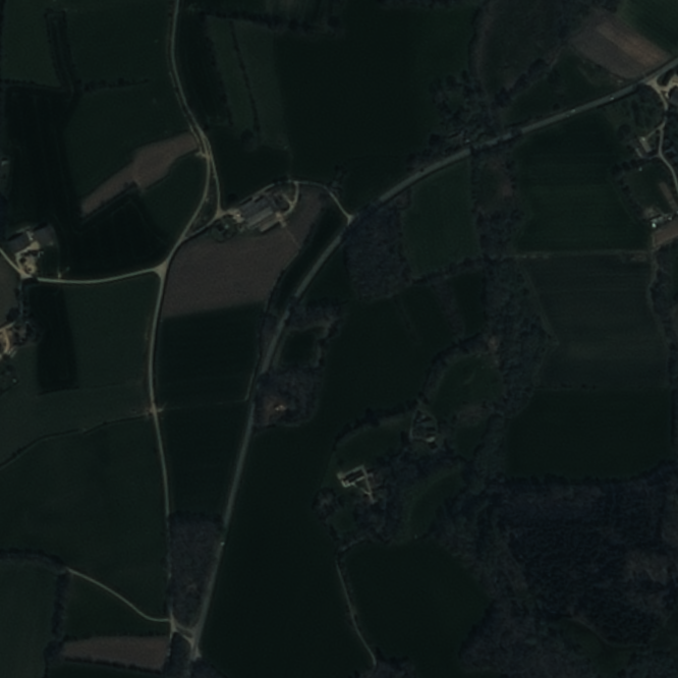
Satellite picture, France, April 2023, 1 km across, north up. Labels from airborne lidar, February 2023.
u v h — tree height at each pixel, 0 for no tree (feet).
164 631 0
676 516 72
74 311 0
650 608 62
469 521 115
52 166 0
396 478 72
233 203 41
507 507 75
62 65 0
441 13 0
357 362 0
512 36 0
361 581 0
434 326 0
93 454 0
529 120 24
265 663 0
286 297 0
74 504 0
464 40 0
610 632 54
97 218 0
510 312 32
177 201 0
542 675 81
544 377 0
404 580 0
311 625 0
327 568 0
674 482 70
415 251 0
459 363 0
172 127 0
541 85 0
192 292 0
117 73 0
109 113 0
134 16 0
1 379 0
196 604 46
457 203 0
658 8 0
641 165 22
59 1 0
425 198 0
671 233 0
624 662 0
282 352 0
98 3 0
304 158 0
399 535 103
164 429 0
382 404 0
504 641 65
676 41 0
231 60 0
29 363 0
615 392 0
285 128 0
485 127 53
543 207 0
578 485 37
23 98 0
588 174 0
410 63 0
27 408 0
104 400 0
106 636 23
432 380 33
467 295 0
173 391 0
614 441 0
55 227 0
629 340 0
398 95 0
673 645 0
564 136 0
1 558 50
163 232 0
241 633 0
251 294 0
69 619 0
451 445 53
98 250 0
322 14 0
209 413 0
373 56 0
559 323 0
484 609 0
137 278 0
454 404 0
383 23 0
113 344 0
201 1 0
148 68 0
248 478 0
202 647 0
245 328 0
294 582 0
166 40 0
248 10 0
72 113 0
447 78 0
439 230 0
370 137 0
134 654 0
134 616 0
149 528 0
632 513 72
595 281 0
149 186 0
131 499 0
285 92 0
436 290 42
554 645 82
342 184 21
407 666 36
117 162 0
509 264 24
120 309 0
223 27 0
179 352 0
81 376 0
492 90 0
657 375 0
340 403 0
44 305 0
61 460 0
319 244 0
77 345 0
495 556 37
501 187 0
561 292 0
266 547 0
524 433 0
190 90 0
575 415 0
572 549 81
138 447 0
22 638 0
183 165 0
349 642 0
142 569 0
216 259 0
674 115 20
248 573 0
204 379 0
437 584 0
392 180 0
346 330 0
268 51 0
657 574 61
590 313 0
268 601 0
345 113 0
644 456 0
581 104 0
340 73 0
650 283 0
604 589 74
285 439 0
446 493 0
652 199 0
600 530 40
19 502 0
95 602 0
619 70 0
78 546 0
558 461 0
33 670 0
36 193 0
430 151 19
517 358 32
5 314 0
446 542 63
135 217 0
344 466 41
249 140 52
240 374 0
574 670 61
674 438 46
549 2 0
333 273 0
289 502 0
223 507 0
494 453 25
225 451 0
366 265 78
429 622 0
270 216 0
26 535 0
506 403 54
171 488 0
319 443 0
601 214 0
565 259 0
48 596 0
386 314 0
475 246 0
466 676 0
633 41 0
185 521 60
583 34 0
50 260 0
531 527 70
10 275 0
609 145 0
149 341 0
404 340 0
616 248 0
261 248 0
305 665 0
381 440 0
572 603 52
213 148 0
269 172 0
